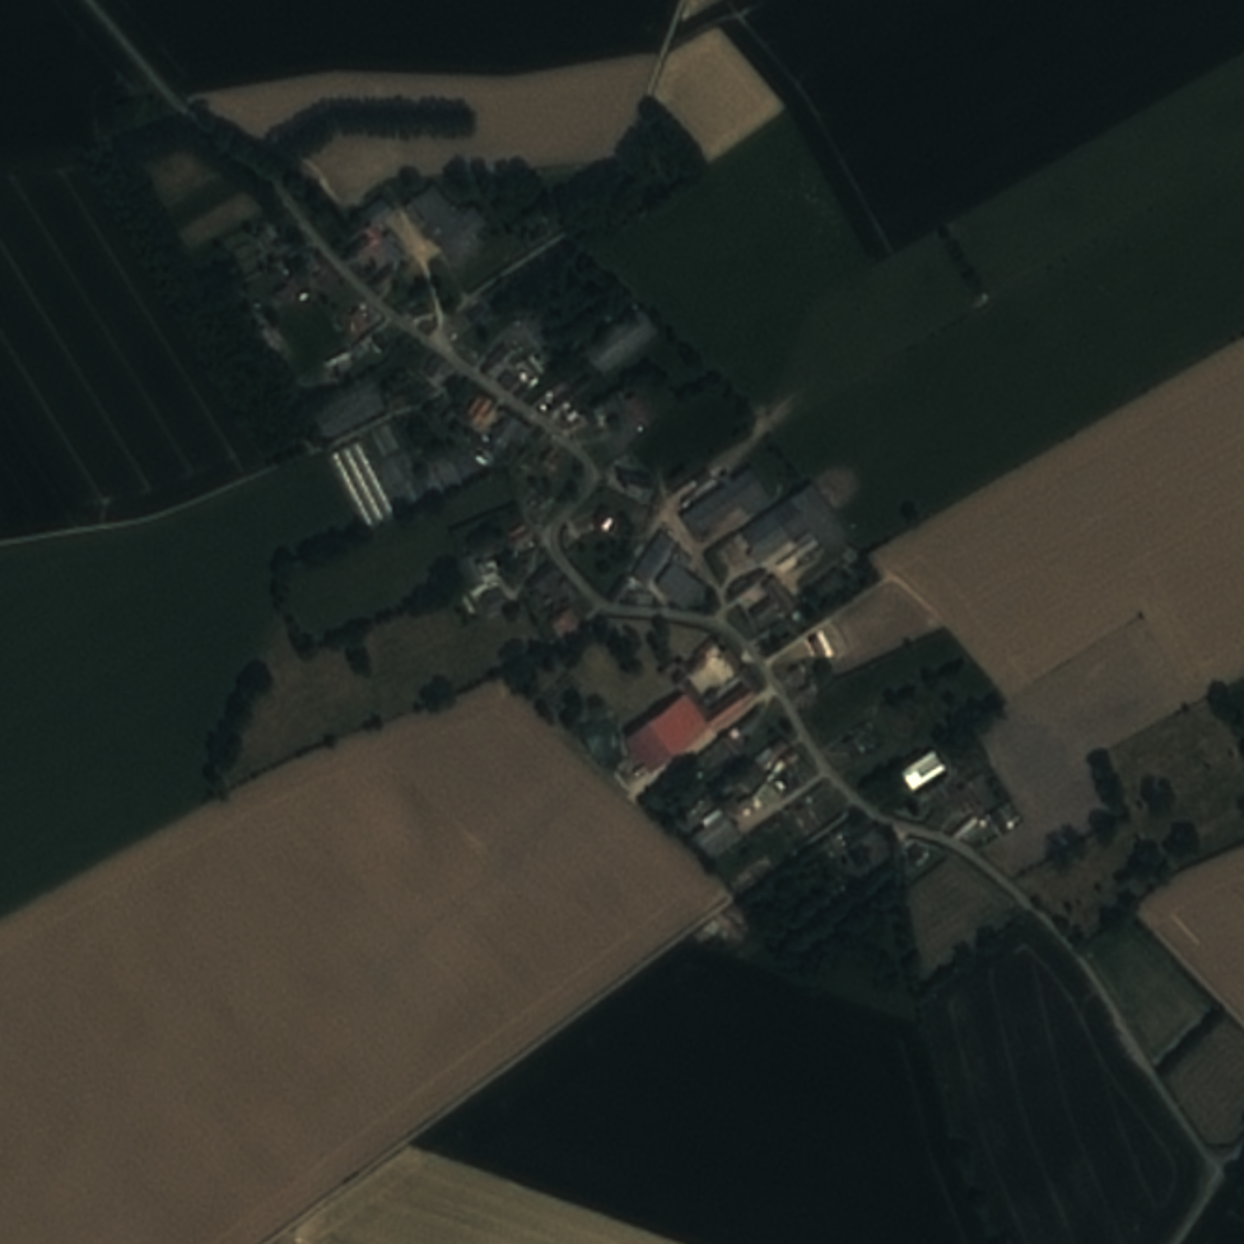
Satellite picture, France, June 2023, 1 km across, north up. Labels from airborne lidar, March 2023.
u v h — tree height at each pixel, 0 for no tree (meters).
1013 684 0
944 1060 0
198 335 7
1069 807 0
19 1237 0
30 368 0
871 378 0
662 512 0
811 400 0
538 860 0
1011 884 0
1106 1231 0
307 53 0
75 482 0
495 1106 0
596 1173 0
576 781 0
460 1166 0
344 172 0
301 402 19
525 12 0
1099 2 0
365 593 0
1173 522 0
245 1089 0
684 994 0
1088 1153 0
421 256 0
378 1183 0
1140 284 0
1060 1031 0
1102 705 0
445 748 0
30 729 0
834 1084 0
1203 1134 0
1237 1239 0
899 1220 0
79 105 0
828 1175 0
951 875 0
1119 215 0
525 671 17
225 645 0
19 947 0
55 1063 0
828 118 0
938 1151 0
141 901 0
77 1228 0
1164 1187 0
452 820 0
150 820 0
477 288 0
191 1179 0
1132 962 0
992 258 0
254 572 0
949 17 0
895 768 10
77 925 0
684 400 11
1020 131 0
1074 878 0
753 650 0
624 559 8
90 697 0
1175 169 0
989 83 0
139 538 0
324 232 0
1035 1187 0
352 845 0
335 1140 0
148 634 0
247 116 0
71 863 0
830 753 0
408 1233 0
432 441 15
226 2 0
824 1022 0
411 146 0
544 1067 0
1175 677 0
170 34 0
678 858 0
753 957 0
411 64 0
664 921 0
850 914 21
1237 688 0
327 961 0
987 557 0
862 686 0
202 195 0
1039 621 0
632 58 0
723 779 8
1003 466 0
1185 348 0
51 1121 0
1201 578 0
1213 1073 0
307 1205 0
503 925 0
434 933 0
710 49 0
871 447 0
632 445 0
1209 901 0
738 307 0
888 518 0
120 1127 0
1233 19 0
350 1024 0
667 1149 0
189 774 0
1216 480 0
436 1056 0
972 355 0
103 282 0
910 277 0
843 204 0
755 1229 0
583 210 27
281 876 0
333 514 0
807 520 0
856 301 0
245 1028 0
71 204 0
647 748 0
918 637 0
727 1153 0
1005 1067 0
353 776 0
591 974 0
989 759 0
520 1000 0
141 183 27
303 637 9
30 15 0
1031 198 0
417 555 0
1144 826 0
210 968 0
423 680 0
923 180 0
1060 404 0
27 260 0
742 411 15
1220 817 0
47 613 0
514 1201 0
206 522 0
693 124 0
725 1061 0
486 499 0
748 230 0
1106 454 0
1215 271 0
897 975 14
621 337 0
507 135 0
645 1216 0
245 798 0
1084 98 0
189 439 0
